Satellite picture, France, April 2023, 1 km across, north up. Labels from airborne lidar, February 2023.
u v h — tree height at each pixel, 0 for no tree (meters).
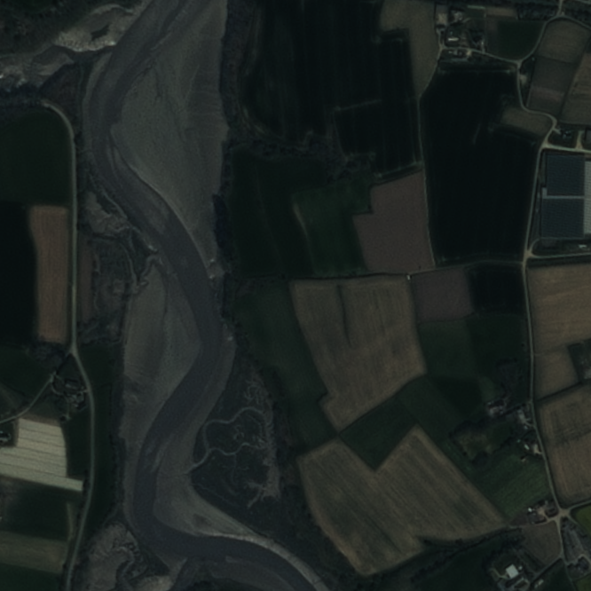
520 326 0
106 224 0
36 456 0
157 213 0
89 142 0
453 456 0
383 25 0
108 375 0
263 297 0
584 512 0
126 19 0
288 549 0
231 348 0
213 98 0
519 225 0
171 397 0
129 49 0
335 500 0
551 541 0
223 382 0
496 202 0
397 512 0
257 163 0
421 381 0
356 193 0
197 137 0
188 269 0
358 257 0
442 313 0
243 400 0
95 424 0
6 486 0
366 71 0
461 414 0
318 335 0
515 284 0
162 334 0
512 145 0
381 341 0
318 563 10
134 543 0
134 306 0
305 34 0
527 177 0
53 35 14
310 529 10
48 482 0
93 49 0
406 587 0
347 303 0
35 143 0
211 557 0
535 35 0
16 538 0
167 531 0
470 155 0
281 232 0
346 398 0
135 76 0
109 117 0
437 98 0
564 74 0
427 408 0
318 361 0
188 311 0
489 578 18
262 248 0
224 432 0
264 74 0
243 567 0
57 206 0
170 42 0
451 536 0
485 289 0
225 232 22
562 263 6
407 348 0
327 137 0
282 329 0
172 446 0
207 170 0
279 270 0
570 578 0
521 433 11
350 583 11
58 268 0
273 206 0
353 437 0
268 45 0
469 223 0
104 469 0
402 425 0
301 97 0
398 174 0
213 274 0
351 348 0
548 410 0
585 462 0
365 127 0
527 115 0
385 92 0
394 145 0
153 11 0
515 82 0
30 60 0
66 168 0
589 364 0
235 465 0
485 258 0
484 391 0
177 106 0
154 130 0
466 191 0
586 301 0
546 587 0
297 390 0
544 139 0
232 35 14
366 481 0
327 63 0
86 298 0
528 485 0
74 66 7
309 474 0
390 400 0
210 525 0
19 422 0
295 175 0
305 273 0
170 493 0
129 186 0
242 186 0
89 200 0
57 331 0
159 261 0
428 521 0
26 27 7
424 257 0
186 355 0
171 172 0
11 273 0
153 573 0
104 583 0
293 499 10
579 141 0
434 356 0
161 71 0
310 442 0
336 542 0
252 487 0
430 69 0
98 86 0
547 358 0
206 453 0
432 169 0
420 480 0
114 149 0
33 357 7
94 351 0
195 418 0
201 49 0
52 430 0
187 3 0
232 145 11
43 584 0
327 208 0
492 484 0
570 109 0
